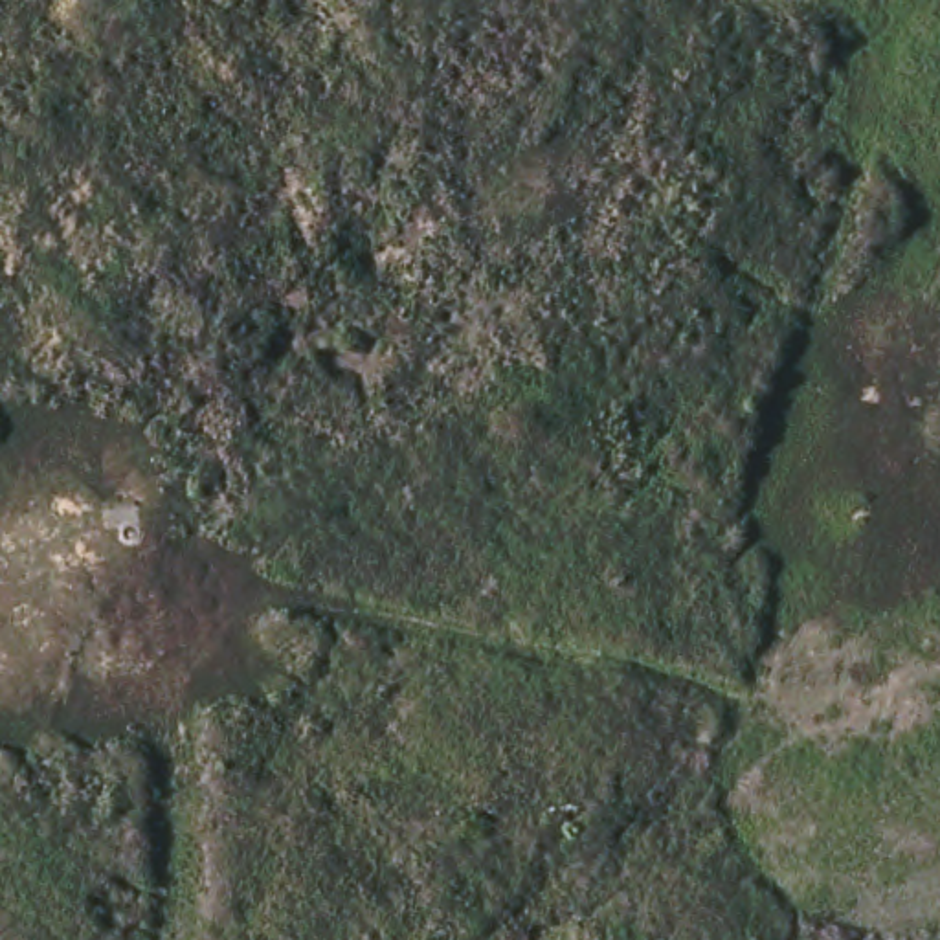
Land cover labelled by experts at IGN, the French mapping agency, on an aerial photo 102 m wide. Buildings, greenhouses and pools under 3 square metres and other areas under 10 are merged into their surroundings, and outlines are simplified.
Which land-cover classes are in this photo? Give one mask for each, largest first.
<instances>
[{"label":"herbaceous vegetation","instance_id":"1","mask_svg":"<svg viewBox=\"0 0 940 940\"><path fill-rule=\"evenodd\" d=\"M819 7L830 11L823 18L826 59L841 70L830 81L826 118L856 140L852 162L859 165V173L881 176L900 195L903 220L896 231L870 242V253L859 275L852 279L848 294L815 323L811 312L793 308V327L782 338L767 319L756 316L742 334L731 338L734 356L716 360L709 353V341L723 330V316L701 319L694 297L705 283L701 268L716 253L709 235L720 224L716 209L698 202V187L716 180V169L705 165L694 151H687L690 110L712 88L705 55L709 37L683 7H672L668 0H0V738L18 749H29L37 734H55L70 742L81 756H92V749L103 742H118L136 756L143 742H158L169 753L173 885L162 940H213L209 925L217 911L228 903V878L217 870L220 841L206 823L213 811L224 808V756L217 753L220 734L213 727V709L239 705L246 698H264L275 705L283 690H290L286 683L294 672L312 668L316 676H327L330 654L341 643L338 635L349 632L360 617L400 628H437L452 635L459 632L488 643H514L540 657L569 654L580 665H595L599 657L624 661L635 635H650L657 654L701 665L709 654L723 650L742 668L745 687L756 683L775 643L793 639L800 624L811 621L830 628L834 646H845L852 635H859L870 646V661L852 665V683L859 687L885 683L889 672L907 665L911 657L940 665V0H819ZM286 173L323 191L327 209L305 231L297 228V217L283 191ZM353 349L393 353L397 360L393 371H386V382L364 386L356 371H345L338 356ZM217 492L231 503L235 518L228 521V532L213 543L198 536V525L213 521ZM106 507H136L143 525L136 547L118 543V529L103 521ZM756 793L760 800H775L778 811L760 815L734 808L738 837L745 845L764 848V874L786 889L797 911L841 914L848 922L863 892L903 885L911 874L929 870L940 878V712L929 723L903 731L896 742L856 738L837 756L815 749L811 738L804 742L793 745L782 760H767L764 771Z\"/></svg>","mask_w":940,"mask_h":940},{"label":"brushwood","instance_id":"2","mask_svg":"<svg viewBox=\"0 0 940 940\"><path fill-rule=\"evenodd\" d=\"M672 7H683L709 37L705 55L712 88L690 110L687 151H694L705 165L716 169V180L698 187V202L716 209L720 224L709 235L716 253L701 268L705 283L694 297L701 319L723 316V330L709 341V353L716 360L734 356L731 338L742 334L756 316L767 319L782 338L793 327V308L811 312L815 323L848 294L852 279L859 275L870 253V242L896 231L903 220L900 195L881 176L859 173V165L852 162L856 140L826 118L830 81L841 70L826 59L823 18L830 11L819 7V0H668ZM341 643L330 654L327 676H316L312 668L294 672L286 683L290 690H283L275 705L264 698H246L239 705L213 709V727L220 734L217 753L224 756V808L213 811L206 823L220 841L217 870L228 878V903L217 911L209 925L213 940H885L878 929L848 922L841 914L797 911L786 889L764 874V848L745 845L738 837L734 808L731 793L738 786V775L749 767L764 771L767 760H782L793 745L804 742L793 727L782 723V712L775 705L764 701V690L756 683L745 687L742 668L723 650L709 654L701 665L657 654L650 635H635L624 661L599 657L595 665H580L569 654L540 657L514 643H488L459 632L452 635L437 628H400L360 617L349 632L338 635ZM169 753L158 742H143L136 756L118 742H103L92 749V756H81L70 742L55 734H37L29 749H18L0 738V940H162L173 885ZM892 940H940V918L900 922Z\"/></svg>","mask_w":940,"mask_h":940},{"label":"bare soil","instance_id":"3","mask_svg":"<svg viewBox=\"0 0 940 940\"><path fill-rule=\"evenodd\" d=\"M283 191L297 217V228L305 231L327 209L323 191L286 173ZM397 360L393 353L353 349L338 356L345 371H356L364 386L386 382V371H393ZM213 521L198 525V536L213 543L228 532V521L235 518L231 503L217 492ZM103 521L118 529V543L136 547L143 525L136 507H106ZM870 661V646L859 635H852L845 646H834L830 628L811 621L800 624L793 639L775 643L756 683L764 690V701L775 705L782 712V723L793 727L804 742L811 738L815 749L837 756L856 738L896 742L903 731L929 723L940 712V665L911 657L907 665L889 672L885 683L859 687L852 683V665ZM764 771L749 767L738 775V786L731 793L734 808L760 815L778 811L775 800H760L756 793ZM940 918V878L929 870L911 874L903 885L863 892L848 922L878 929L885 940H892L900 922Z\"/></svg>","mask_w":940,"mask_h":940}]
</instances>
